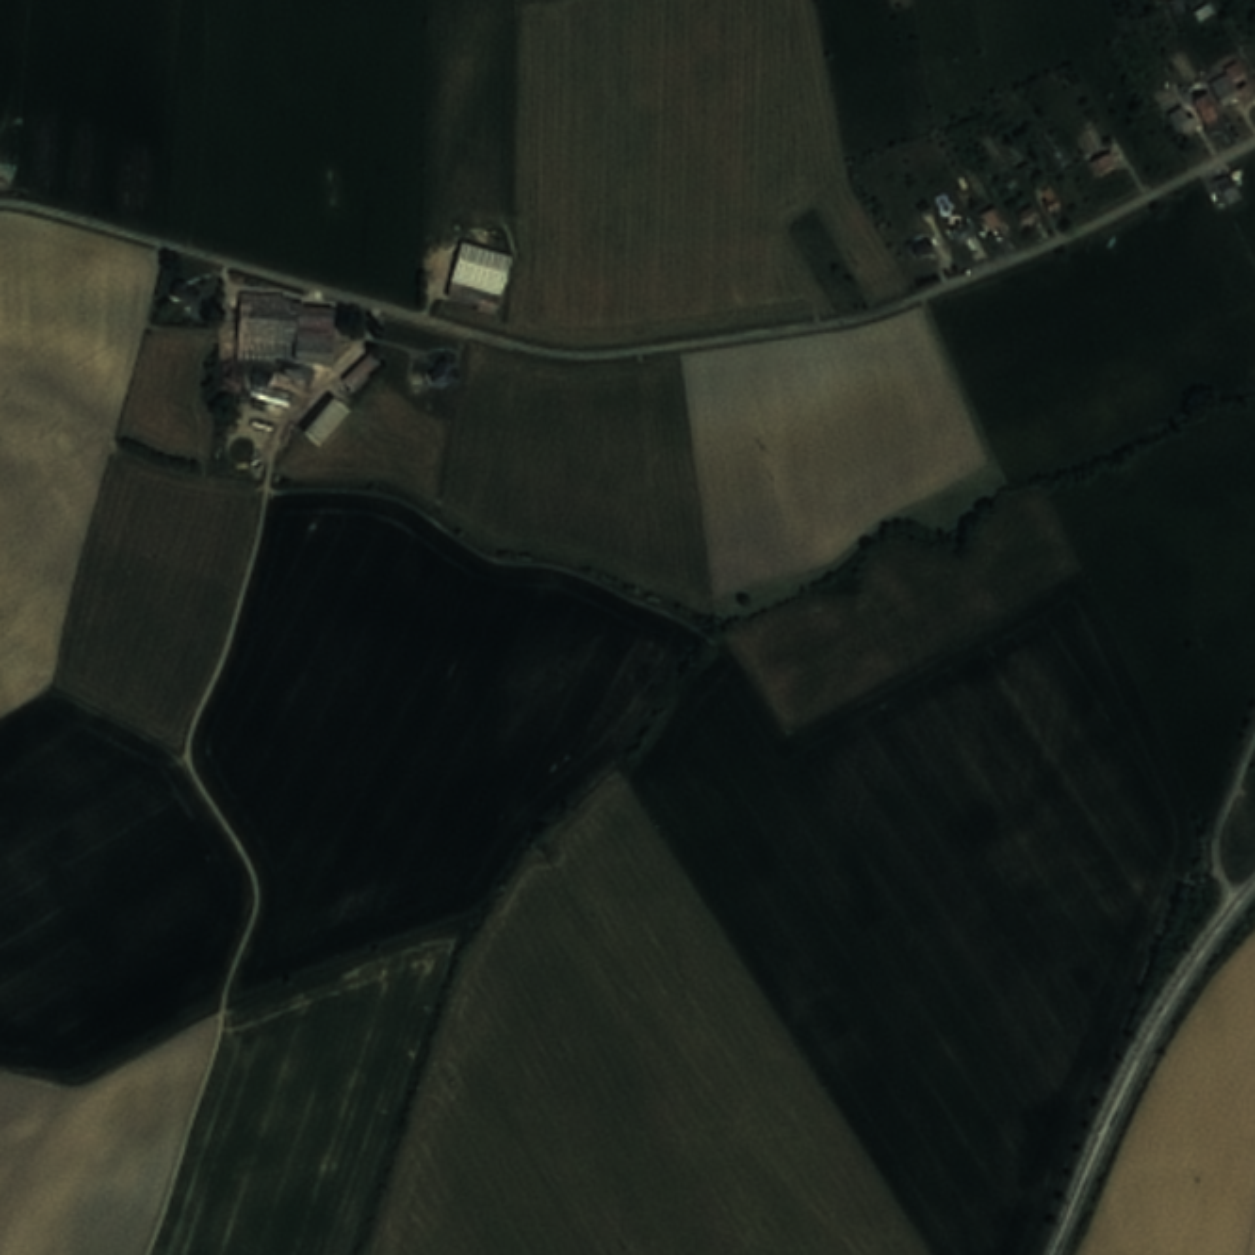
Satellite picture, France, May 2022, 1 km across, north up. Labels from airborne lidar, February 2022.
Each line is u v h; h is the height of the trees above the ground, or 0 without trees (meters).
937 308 0
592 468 0
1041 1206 0
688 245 0
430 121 0
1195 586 0
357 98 0
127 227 0
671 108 0
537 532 0
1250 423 0
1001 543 0
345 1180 0
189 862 0
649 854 0
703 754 0
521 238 0
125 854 0
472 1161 0
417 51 0
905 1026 0
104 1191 0
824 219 0
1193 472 0
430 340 0
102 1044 0
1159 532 0
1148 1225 0
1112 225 0
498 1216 0
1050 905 0
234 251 0
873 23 0
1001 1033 0
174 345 0
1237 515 0
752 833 0
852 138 0
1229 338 0
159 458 7
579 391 0
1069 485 8
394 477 0
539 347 0
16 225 0
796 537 0
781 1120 0
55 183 0
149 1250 0
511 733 0
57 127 0
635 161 0
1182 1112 0
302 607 0
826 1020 0
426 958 0
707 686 0
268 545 0
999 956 0
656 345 0
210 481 0
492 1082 0
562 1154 0
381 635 0
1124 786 0
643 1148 0
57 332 0
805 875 0
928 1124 0
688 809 0
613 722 0
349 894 0
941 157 0
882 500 0
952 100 0
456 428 0
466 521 0
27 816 0
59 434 0
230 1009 0
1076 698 0
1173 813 0
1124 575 0
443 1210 0
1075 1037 0
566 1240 0
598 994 0
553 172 0
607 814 0
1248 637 0
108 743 0
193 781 0
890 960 0
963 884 0
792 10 0
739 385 0
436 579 0
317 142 0
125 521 0
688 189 0
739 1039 0
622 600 0
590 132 0
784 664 0
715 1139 0
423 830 0
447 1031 0
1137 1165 0
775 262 0
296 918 0
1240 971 0
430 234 0
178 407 0
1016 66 0
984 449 0
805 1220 0
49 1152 0
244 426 0
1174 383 0
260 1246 0
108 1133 0
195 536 0
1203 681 0
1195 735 0
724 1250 0
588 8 0
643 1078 0
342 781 0
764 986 0
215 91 0
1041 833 0
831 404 0
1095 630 0
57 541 0
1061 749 0
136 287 0
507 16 0
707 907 0
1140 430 0
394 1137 0
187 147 0
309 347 0
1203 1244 0
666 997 0
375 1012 0
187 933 0
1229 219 0
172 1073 0
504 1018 0
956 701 0
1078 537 0
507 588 0
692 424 0
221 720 0
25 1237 0
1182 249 0
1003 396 0
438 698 0
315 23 0
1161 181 0
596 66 0
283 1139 0
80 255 0
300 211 0
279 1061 0
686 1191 0
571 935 0
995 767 0
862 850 0
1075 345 0
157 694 0
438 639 0
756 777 0
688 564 0
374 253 0
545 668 0
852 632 0
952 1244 0
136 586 0
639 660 0
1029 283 0
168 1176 0
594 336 0
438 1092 0
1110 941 0
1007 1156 0
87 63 0
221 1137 0
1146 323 0
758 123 0
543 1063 0
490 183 0
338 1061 0
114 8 0
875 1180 0
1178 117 0
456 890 0
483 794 0
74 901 0
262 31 0
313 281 0
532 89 0
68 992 0
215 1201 0
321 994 0
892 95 0
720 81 0
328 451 0
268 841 0
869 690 0
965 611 0
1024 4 0
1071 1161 0
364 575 0
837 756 0
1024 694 0
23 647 0
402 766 0
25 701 0
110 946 0
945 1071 0
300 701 0
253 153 0
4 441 0
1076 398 0
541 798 0
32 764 0
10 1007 0
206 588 0
